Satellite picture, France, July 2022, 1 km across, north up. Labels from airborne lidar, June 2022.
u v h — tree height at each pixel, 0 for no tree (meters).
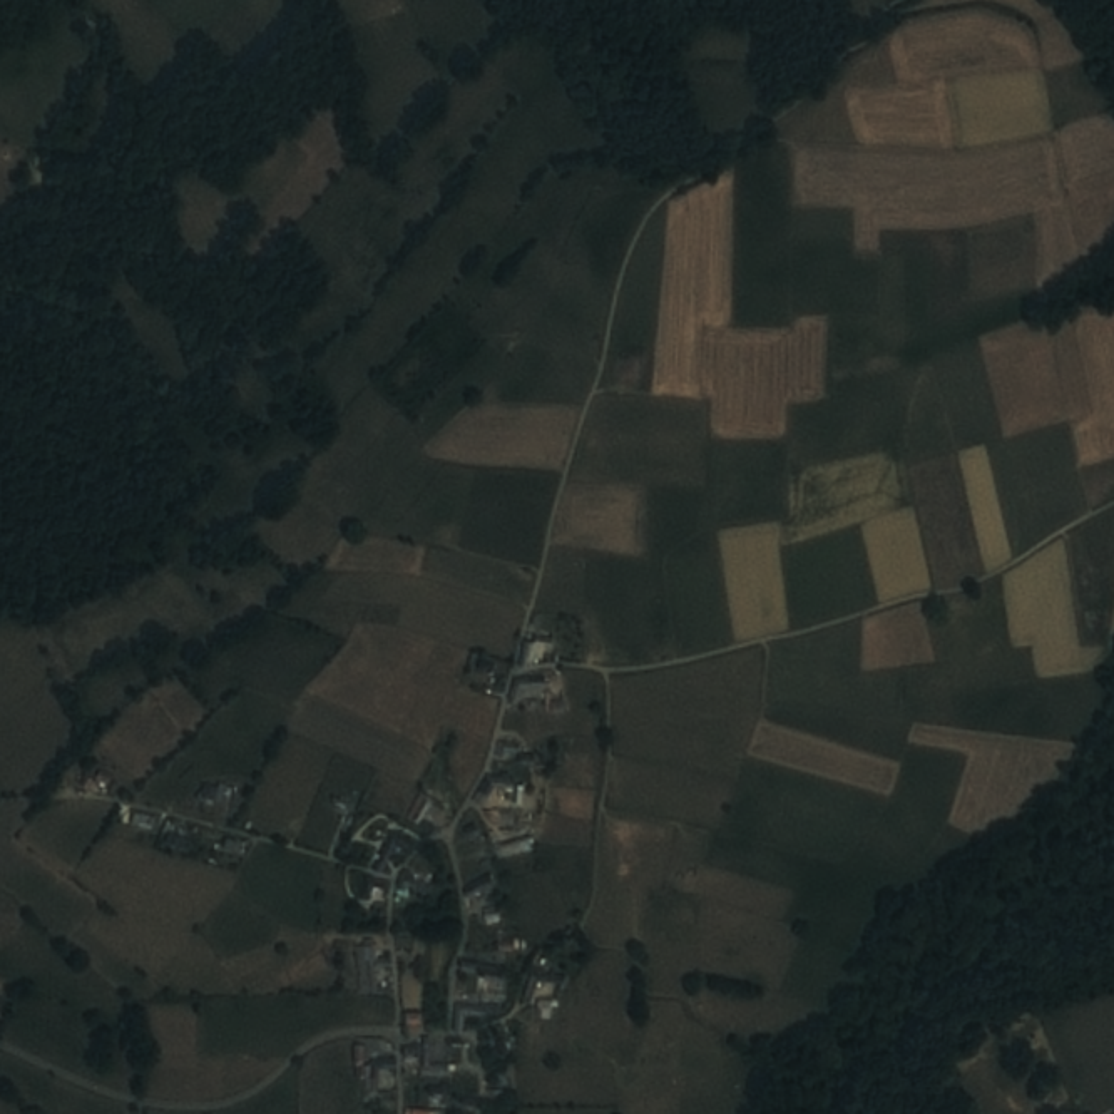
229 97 26
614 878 0
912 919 28
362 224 0
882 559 0
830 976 0
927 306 0
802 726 0
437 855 17
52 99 0
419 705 0
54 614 21
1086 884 30
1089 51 16
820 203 0
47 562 22
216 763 0
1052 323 25
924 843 0
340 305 0
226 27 0
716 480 0
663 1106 0
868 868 0
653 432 0
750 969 0
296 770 0
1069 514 0
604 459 0
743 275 0
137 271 26
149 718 0
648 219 0
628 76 18
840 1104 22
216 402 21
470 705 0
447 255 0
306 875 0
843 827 0
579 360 0
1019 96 0
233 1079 0
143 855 0
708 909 0
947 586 0
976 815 0
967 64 0
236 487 0
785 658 0
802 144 0
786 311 0
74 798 0
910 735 0
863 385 0
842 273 0
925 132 0
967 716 0
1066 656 0
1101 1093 0
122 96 29
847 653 0
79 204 23
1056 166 0
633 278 0
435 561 0
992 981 26
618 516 0
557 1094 0
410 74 0
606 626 0
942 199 0
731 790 0
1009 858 33
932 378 0
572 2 30
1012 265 0
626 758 0
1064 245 0
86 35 28
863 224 0
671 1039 0
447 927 21
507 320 0
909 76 0
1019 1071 18
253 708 0
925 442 0
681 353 0
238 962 0
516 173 0
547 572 0
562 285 0
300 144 0
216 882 0
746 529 0
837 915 0
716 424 0
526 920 0
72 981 0
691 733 0
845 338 0
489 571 0
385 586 0
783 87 20
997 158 0
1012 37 0
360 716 0
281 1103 0
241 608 0
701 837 0
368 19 0
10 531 18
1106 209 0
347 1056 0
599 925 0
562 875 0
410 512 0
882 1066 32
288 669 0
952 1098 24
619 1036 0
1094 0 26
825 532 0
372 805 0
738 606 0
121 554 18
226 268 28
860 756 0
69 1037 0
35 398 27
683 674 0
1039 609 0
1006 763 0
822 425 0
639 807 0
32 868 0
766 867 0
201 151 28
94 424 22
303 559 0
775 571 0
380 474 0
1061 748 0
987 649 0
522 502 0
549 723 0
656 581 0
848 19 23
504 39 17
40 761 0
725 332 0
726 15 26
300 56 27
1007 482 0
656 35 25
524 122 0
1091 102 0
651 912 0
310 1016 0
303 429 15
